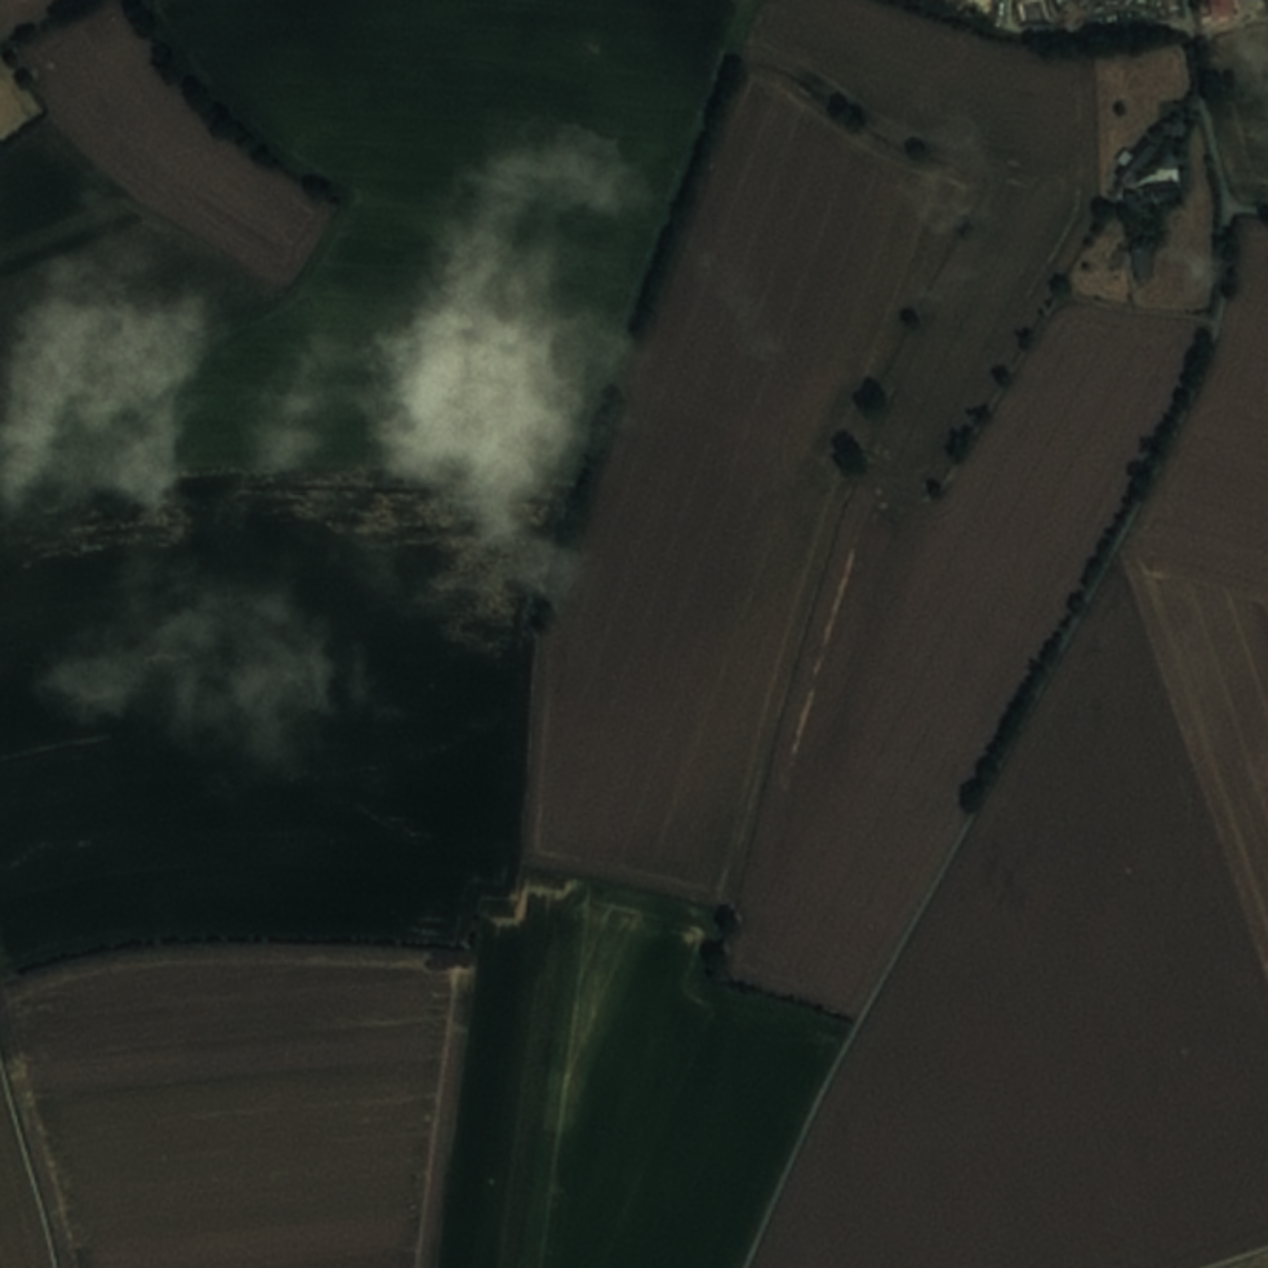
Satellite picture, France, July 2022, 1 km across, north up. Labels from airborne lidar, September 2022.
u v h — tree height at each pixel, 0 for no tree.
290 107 0
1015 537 0
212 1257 0
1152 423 0
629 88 0
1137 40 20
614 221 0
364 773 0
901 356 0
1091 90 0
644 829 0
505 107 0
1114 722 0
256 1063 0
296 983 0
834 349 0
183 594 0
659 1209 0
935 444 0
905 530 0
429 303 0
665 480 0
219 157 0
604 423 16
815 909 0
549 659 0
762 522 0
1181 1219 0
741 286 0
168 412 0
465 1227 0
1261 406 0
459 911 0
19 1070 0
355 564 0
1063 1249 0
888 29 0
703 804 0
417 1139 0
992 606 0
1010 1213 0
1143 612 0
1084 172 0
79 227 0
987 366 0
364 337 0
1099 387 0
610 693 0
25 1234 0
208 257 0
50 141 0
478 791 0
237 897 0
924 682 0
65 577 0
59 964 7
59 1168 0
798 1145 0
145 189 0
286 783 0
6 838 0
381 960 0
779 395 0
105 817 0
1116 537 10
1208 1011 0
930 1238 0
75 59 0
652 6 0
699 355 0
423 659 0
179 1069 0
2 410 0
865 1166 0
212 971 0
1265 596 0
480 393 0
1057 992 0
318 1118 0
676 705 0
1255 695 0
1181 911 0
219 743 0
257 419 0
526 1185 0
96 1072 0
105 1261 0
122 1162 0
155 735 0
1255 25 0
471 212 0
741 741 0
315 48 0
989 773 14
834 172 0
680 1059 0
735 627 0
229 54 0
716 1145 0
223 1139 0
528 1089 0
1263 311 0
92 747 0
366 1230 0
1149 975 0
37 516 0
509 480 0
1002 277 0
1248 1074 0
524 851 0
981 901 0
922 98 0
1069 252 0
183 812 0
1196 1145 0
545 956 0
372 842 0
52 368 0
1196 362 16
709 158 13
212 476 0
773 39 0
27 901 0
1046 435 0
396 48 0
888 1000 0
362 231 0
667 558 0
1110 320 0
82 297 0
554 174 0
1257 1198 0
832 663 0
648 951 0
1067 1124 0
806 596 0
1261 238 0
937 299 0
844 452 21
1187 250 0
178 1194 0
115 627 0
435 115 0
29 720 0
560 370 0
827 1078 0
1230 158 0
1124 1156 0
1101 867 0
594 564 0
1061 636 9
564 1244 0
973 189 0
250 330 0
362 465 0
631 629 0
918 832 0
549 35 0
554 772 0
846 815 0
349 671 0
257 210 0
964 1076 0
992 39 6
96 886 0
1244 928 0
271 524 0
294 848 0
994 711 0
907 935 0
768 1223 0
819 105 0
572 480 0
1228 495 0
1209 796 0
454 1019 0
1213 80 23
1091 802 0
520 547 0
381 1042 0
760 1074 0
